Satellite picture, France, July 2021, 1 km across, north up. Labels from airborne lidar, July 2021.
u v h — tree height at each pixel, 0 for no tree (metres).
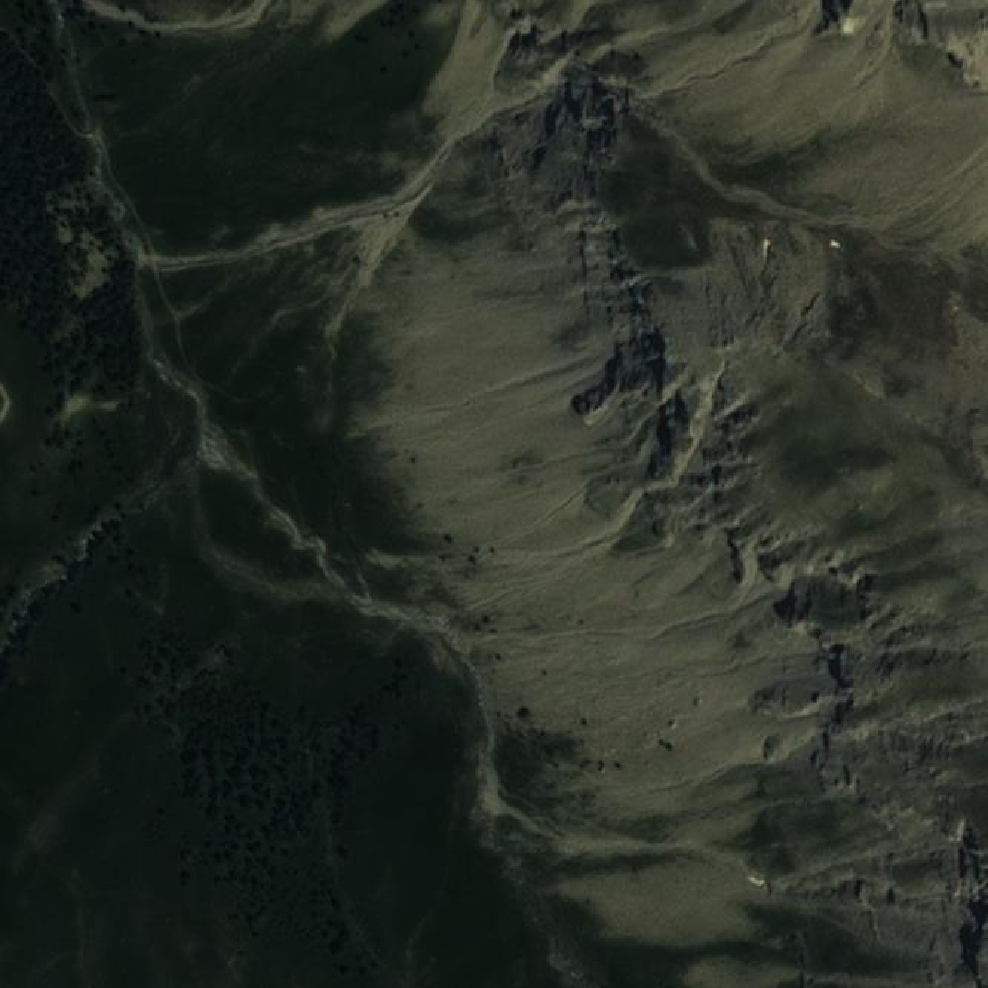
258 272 0
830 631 0
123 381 13
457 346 0
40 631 0
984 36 0
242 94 0
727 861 0
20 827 0
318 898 10
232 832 15
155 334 0
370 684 0
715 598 0
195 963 0
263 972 0
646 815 0
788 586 0
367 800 0
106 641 0
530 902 0
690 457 0
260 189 0
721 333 0
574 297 0
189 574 0
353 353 0
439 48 0
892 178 0
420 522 0
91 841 0
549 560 0
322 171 0
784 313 0
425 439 0
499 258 0
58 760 0
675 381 0
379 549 0
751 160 0
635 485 0
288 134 0
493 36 0
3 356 0
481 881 0
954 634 0
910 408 0
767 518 0
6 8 0
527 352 0
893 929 0
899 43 0
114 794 0
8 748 0
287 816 19
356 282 0
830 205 0
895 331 0
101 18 0
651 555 0
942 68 0
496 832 0
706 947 0
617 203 0
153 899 0
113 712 0
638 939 0
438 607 0
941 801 0
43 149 11
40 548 0
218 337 0
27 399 0
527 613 0
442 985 0
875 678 0
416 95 0
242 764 10
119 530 20
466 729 0
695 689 0
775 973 0
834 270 0
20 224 17
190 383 0
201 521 0
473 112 0
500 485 0
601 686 0
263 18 0
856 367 0
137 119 0
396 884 0
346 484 0
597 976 0
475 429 0
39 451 0
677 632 0
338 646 0
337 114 0
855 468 0
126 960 0
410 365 0
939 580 0
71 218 15
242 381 0
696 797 0
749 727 0
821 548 0
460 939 0
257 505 0
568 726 0
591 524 0
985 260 0
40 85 14
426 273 0
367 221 0
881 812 0
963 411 0
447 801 0
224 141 0
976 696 0
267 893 8
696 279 0
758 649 0
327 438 0
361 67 0
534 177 0
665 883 0
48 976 0
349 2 0
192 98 0
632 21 0
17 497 0
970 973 0
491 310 0
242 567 0
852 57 0
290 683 0
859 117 0
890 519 0
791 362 0
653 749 0
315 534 0
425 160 0
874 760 0
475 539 0
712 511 0
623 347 0
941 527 0
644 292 0
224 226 0
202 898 0
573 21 0
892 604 0
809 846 0
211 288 0
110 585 0
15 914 0
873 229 0
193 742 9
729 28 0
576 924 0
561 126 0
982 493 0
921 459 0
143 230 0
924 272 0
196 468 0
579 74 0
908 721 0
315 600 0
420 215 0
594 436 0
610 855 0
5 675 13
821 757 0
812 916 0
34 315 13
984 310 0
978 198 0
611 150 0
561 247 0
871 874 0
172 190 0
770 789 0
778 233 0
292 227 0
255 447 0
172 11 0
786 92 0
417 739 0
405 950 0
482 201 0
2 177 14
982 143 0
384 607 0
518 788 0
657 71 0
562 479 0
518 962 0
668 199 0
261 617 0
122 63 0
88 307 12
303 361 0
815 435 0
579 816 0
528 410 0
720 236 0
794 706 0
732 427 0
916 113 0
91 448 0
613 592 0
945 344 0
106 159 0
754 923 0
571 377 0
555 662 0
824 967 0
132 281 8
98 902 0
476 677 0
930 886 0
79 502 0
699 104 0
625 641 0
